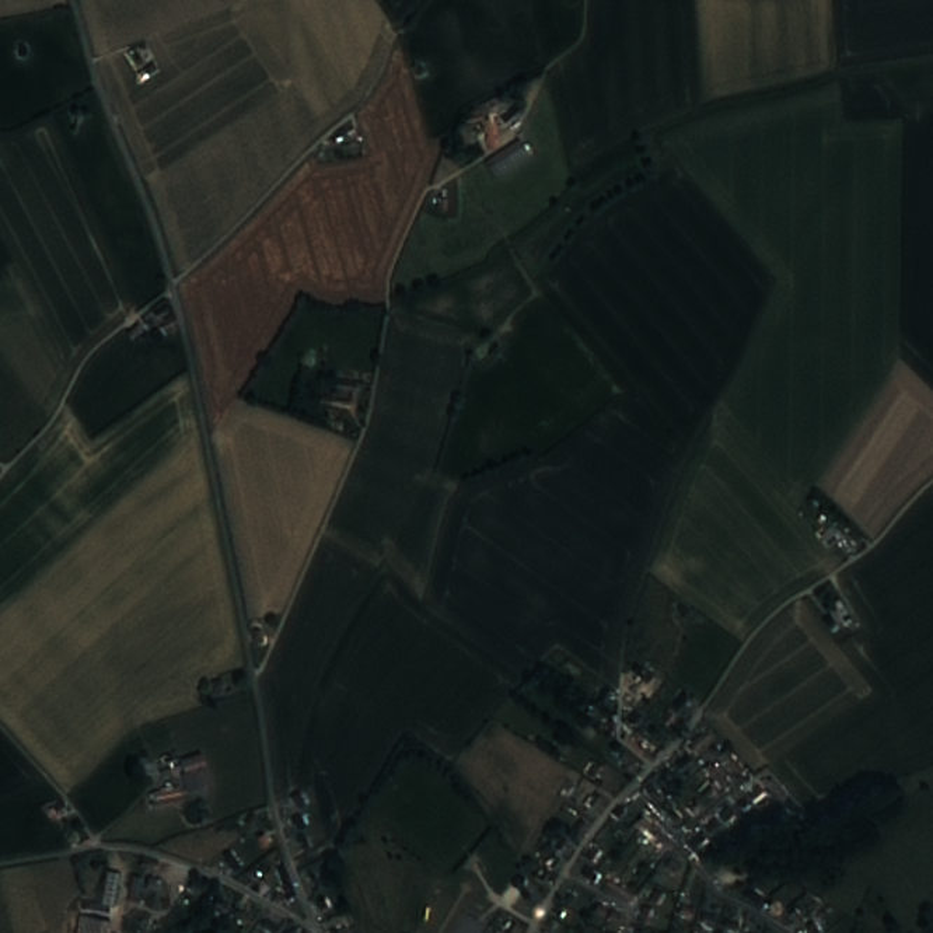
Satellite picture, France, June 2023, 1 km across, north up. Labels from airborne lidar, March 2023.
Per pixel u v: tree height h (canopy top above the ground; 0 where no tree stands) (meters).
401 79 0
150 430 0
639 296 0
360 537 0
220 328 0
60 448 0
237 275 0
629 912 0
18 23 0
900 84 0
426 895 0
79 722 0
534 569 0
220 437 0
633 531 0
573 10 0
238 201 0
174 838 0
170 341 0
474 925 0
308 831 0
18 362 0
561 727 12
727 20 0
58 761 0
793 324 0
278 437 0
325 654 0
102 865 6
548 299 0
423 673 0
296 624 0
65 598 0
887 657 0
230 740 0
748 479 0
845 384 0
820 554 0
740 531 0
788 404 0
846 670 0
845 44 0
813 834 36
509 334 0
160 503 0
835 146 0
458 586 0
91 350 0
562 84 0
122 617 0
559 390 0
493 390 0
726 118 0
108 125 0
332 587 0
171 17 0
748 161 0
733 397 0
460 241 0
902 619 0
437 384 0
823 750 0
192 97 0
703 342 0
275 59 0
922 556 0
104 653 0
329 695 0
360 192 0
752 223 0
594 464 0
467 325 0
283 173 0
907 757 0
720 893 0
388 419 0
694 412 0
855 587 0
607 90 0
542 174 0
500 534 0
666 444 0
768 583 0
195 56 0
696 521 0
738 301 0
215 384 0
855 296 0
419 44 0
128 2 0
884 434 0
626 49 0
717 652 0
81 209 0
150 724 0
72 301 0
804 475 0
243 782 0
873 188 0
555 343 0
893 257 0
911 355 0
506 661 0
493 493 0
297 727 0
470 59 0
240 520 0
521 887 0
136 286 0
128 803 0
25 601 0
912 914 0
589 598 0
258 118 0
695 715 0
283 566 0
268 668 0
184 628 0
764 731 0
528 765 0
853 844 22
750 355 0
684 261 0
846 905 0
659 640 0
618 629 0
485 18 0
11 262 0
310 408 0
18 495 0
